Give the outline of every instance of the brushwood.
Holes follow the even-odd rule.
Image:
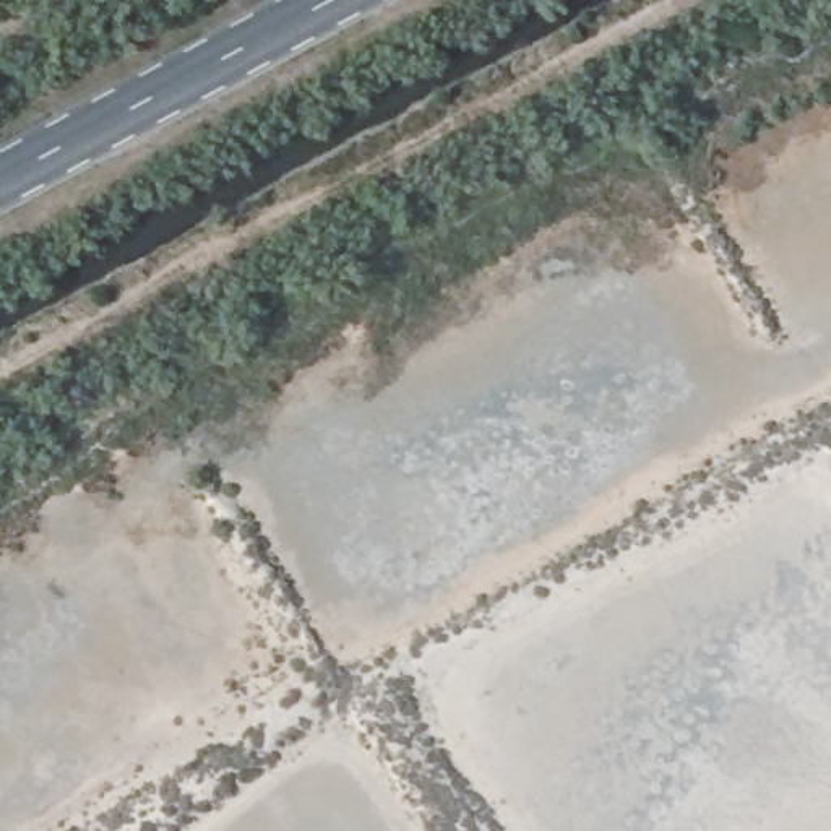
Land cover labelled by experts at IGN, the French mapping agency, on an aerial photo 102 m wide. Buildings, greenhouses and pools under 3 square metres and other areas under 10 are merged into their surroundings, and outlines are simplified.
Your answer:
[[[383,734],[390,743],[412,747],[419,734],[428,727],[422,708],[416,714],[403,714],[399,698],[390,695],[380,704],[364,708],[377,714],[373,724],[367,724],[367,730]]]
[[[428,130],[435,120],[448,114],[451,104],[500,91],[513,81],[506,55],[458,81],[448,81],[445,88],[428,91],[403,114],[377,127],[357,130],[334,149],[318,153],[308,162],[289,169],[286,175],[247,195],[234,208],[214,208],[192,234],[208,237],[224,234],[227,227],[240,227],[256,211],[292,195],[302,195],[321,185],[328,175],[338,175],[377,156],[380,149],[393,149],[406,136]]]
[[[32,97],[52,88],[78,91],[78,81],[94,71],[94,65],[117,62],[127,49],[153,52],[159,49],[159,36],[166,29],[195,26],[214,10],[227,6],[227,0],[0,0],[0,127],[19,117]]]
[[[292,607],[289,636],[308,636],[312,652],[321,662],[315,669],[295,659],[292,669],[305,682],[318,685],[315,708],[321,714],[328,714],[328,704],[341,704],[341,711],[347,711],[354,682],[351,669],[331,656],[292,575],[273,555],[256,513],[240,510],[237,516],[243,519],[243,542],[250,558],[269,571],[273,581],[279,581],[282,604]]]
[[[172,776],[166,776],[162,782],[146,782],[127,792],[110,812],[101,815],[101,821],[110,828],[127,825],[133,805],[146,802],[149,795],[162,795],[162,812],[172,815],[172,821],[149,821],[140,831],[185,831],[192,821],[198,821],[208,812],[217,812],[230,795],[237,795],[243,782],[253,782],[266,769],[273,769],[282,760],[286,747],[308,737],[312,724],[299,717],[295,727],[276,737],[269,753],[263,753],[263,727],[247,727],[237,743],[208,743],[195,753],[195,760],[175,766]],[[205,773],[211,773],[217,786],[208,799],[195,802],[182,792],[182,782]]]
[[[727,458],[704,458],[698,471],[688,471],[665,484],[665,490],[656,500],[636,500],[633,513],[623,516],[617,526],[588,536],[584,542],[571,545],[568,552],[542,565],[545,578],[552,581],[565,581],[568,568],[597,571],[630,545],[649,545],[652,536],[672,539],[672,529],[682,529],[685,519],[698,519],[698,513],[704,513],[708,506],[714,513],[730,513],[737,500],[747,493],[747,487],[753,480],[763,480],[769,467],[792,464],[802,458],[802,451],[812,448],[831,448],[831,396],[815,409],[795,412],[795,419],[805,425],[802,438],[779,441],[766,454],[756,454],[753,438],[730,441]]]
[[[510,594],[519,594],[519,581],[506,581],[487,594],[477,594],[474,604],[451,614],[445,623],[419,630],[409,643],[409,652],[422,656],[428,643],[445,643],[448,636],[458,636],[464,630],[493,630],[490,607],[506,601]]]
[[[130,175],[110,182],[97,201],[68,208],[29,234],[0,237],[0,308],[10,312],[23,295],[36,299],[55,273],[75,266],[81,253],[91,253],[97,247],[101,237],[117,237],[123,227],[136,221],[140,211],[166,208],[169,201],[185,201],[192,198],[192,192],[208,188],[214,179],[230,179],[237,169],[250,169],[250,156],[289,143],[299,133],[308,140],[328,136],[338,107],[367,107],[370,94],[383,91],[383,84],[390,81],[409,84],[412,78],[441,75],[445,62],[435,55],[435,45],[484,52],[490,32],[506,36],[516,16],[532,10],[545,19],[545,36],[558,52],[565,52],[575,42],[591,39],[604,23],[626,19],[656,0],[445,0],[425,13],[412,13],[390,23],[383,32],[357,42],[354,49],[341,49],[334,62],[328,62],[315,75],[299,78],[286,91],[266,91],[250,104],[230,107],[221,120],[198,123],[182,143],[153,153]]]
[[[428,805],[425,831],[506,831],[493,815],[490,802],[454,766],[441,740],[428,737],[422,750],[432,769],[422,776],[419,763],[412,760],[399,773],[409,786],[422,792],[422,805]]]
[[[708,192],[727,182],[727,159],[740,146],[756,143],[760,130],[773,130],[795,114],[831,104],[831,0],[701,0],[698,6],[675,13],[665,26],[639,29],[620,45],[604,49],[601,55],[588,58],[578,71],[549,78],[539,91],[519,97],[513,107],[490,110],[445,133],[432,149],[409,156],[399,172],[364,175],[351,195],[331,195],[321,205],[299,211],[282,227],[260,234],[247,247],[237,247],[224,260],[208,263],[198,273],[185,273],[182,279],[162,286],[156,295],[120,315],[117,325],[104,331],[88,331],[81,341],[42,357],[29,370],[16,370],[0,383],[0,555],[23,552],[26,536],[39,532],[45,500],[68,493],[71,487],[104,493],[107,500],[123,500],[114,474],[117,448],[123,448],[130,458],[156,454],[156,441],[162,438],[175,445],[188,438],[201,422],[234,419],[240,399],[253,396],[276,403],[299,370],[325,360],[331,351],[341,351],[347,325],[367,331],[373,354],[393,354],[393,338],[406,328],[406,315],[435,318],[435,305],[445,286],[458,286],[477,269],[493,266],[500,256],[510,256],[519,243],[536,237],[536,230],[568,214],[584,211],[607,221],[639,214],[643,221],[656,221],[659,227],[678,227],[711,224],[711,234],[730,256],[730,273],[743,282],[769,334],[779,331],[782,325],[769,295],[756,282],[753,266],[743,260],[740,243],[730,237],[724,214],[717,211],[717,201]]]

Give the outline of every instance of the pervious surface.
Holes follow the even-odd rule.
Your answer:
[[[568,552],[571,545],[584,542],[588,536],[617,526],[623,516],[633,513],[636,500],[656,500],[665,490],[665,484],[688,471],[698,471],[704,458],[727,458],[730,441],[753,438],[756,454],[766,454],[779,441],[802,438],[805,425],[795,419],[795,412],[815,409],[831,396],[831,104],[795,114],[773,130],[760,130],[756,143],[740,146],[727,159],[727,182],[708,192],[717,201],[717,211],[724,214],[730,237],[740,243],[743,260],[753,266],[756,282],[769,295],[782,325],[779,331],[769,334],[743,282],[730,273],[730,256],[711,234],[711,224],[678,227],[678,240],[672,250],[675,263],[662,273],[643,266],[639,273],[607,269],[594,279],[552,279],[552,273],[568,269],[571,260],[545,263],[542,282],[536,282],[532,289],[500,295],[480,305],[480,315],[474,321],[445,328],[435,341],[422,344],[403,364],[403,373],[377,399],[364,399],[373,354],[367,331],[347,325],[341,351],[331,351],[325,360],[299,370],[276,403],[279,409],[273,412],[266,438],[256,448],[234,451],[221,467],[221,480],[240,484],[237,497],[217,497],[208,487],[198,487],[192,474],[182,467],[182,454],[175,448],[156,454],[130,458],[123,448],[117,448],[114,474],[123,500],[107,500],[104,493],[71,487],[68,493],[45,500],[39,532],[26,536],[23,552],[0,555],[0,831],[140,831],[149,821],[172,821],[172,815],[162,812],[162,795],[149,795],[146,802],[133,805],[127,825],[110,828],[101,821],[101,815],[110,812],[127,792],[146,782],[162,782],[166,776],[172,776],[175,766],[195,760],[195,753],[208,743],[237,743],[247,727],[263,727],[263,753],[269,753],[276,737],[295,727],[299,717],[312,724],[308,737],[286,747],[282,760],[273,769],[266,769],[253,782],[243,782],[237,795],[230,795],[217,812],[208,812],[198,821],[192,821],[185,831],[425,831],[428,805],[422,805],[422,792],[409,786],[399,773],[412,760],[419,763],[422,776],[432,769],[422,750],[428,737],[441,740],[454,766],[490,802],[493,815],[506,831],[831,831],[831,448],[812,448],[802,451],[802,458],[792,464],[769,467],[763,480],[753,480],[747,487],[747,493],[737,500],[730,513],[714,513],[708,506],[704,513],[698,513],[698,519],[685,519],[682,529],[672,529],[672,539],[652,536],[649,545],[630,545],[597,571],[568,568],[565,581],[552,581],[545,578],[542,565]],[[256,513],[273,555],[292,575],[331,656],[351,669],[354,682],[347,711],[341,711],[341,704],[328,704],[328,714],[321,714],[315,708],[318,685],[305,682],[292,669],[295,659],[315,669],[321,662],[312,652],[308,636],[289,636],[292,607],[282,604],[279,581],[273,581],[269,571],[250,558],[243,542],[243,519],[237,516],[240,510]],[[506,601],[490,607],[493,630],[464,630],[458,636],[448,636],[445,643],[428,643],[422,656],[409,652],[409,643],[419,630],[445,623],[451,614],[474,604],[477,594],[487,594],[506,581],[519,581],[519,594],[510,594]],[[399,698],[403,714],[416,714],[422,708],[428,727],[419,734],[412,747],[390,743],[383,734],[367,730],[367,724],[373,724],[377,714],[364,708],[380,704],[390,695]]]
[[[84,286],[91,302],[97,302],[88,315],[75,318],[71,325],[55,325],[39,341],[23,344],[16,351],[3,351],[0,357],[0,383],[16,370],[29,370],[42,357],[81,341],[88,331],[104,331],[117,325],[120,315],[156,295],[162,286],[182,279],[185,273],[198,273],[208,263],[224,260],[237,247],[247,247],[260,234],[282,227],[299,211],[321,205],[331,195],[351,195],[364,175],[399,172],[409,156],[432,149],[445,133],[490,110],[513,107],[519,97],[539,91],[549,78],[578,71],[588,58],[601,55],[604,49],[620,45],[639,29],[665,26],[675,13],[698,6],[701,0],[656,0],[626,19],[604,23],[591,39],[575,42],[565,52],[558,52],[545,36],[506,55],[513,81],[500,91],[451,104],[448,114],[435,120],[428,130],[406,136],[393,149],[380,149],[377,156],[338,175],[328,175],[321,185],[302,195],[292,195],[256,211],[240,227],[227,227],[224,234],[208,237],[192,234],[156,250],[156,269],[146,279],[127,286],[123,292],[117,286],[101,286],[97,279]]]
[[[195,802],[208,799],[217,786],[211,773],[205,773],[182,782],[182,792]]]

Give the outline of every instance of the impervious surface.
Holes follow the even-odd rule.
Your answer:
[[[253,65],[286,55],[295,42],[308,36],[328,32],[331,26],[338,26],[338,19],[373,10],[380,0],[256,0],[250,3],[253,16],[247,23],[211,32],[198,49],[166,58],[149,75],[120,81],[110,97],[81,104],[62,123],[39,127],[26,133],[13,149],[0,153],[0,208],[13,205],[32,185],[62,179],[68,166],[81,159],[104,156],[117,140],[153,130],[159,117],[195,107],[201,94],[240,81]]]

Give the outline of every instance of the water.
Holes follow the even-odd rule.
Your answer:
[[[367,107],[338,107],[328,136],[308,140],[299,133],[289,143],[250,156],[250,169],[237,169],[230,179],[214,179],[208,188],[192,192],[192,198],[185,201],[169,201],[166,208],[140,211],[136,221],[123,227],[117,237],[101,237],[97,247],[91,253],[81,253],[75,266],[55,273],[36,299],[23,295],[10,312],[0,308],[0,331],[13,331],[36,312],[55,308],[75,289],[84,286],[97,279],[107,269],[133,263],[156,250],[192,234],[214,208],[234,208],[247,195],[286,175],[289,169],[308,162],[318,153],[334,149],[357,130],[377,127],[403,114],[428,91],[445,88],[448,81],[458,81],[506,55],[545,36],[545,19],[532,10],[516,16],[506,36],[490,32],[484,52],[435,45],[435,55],[445,62],[441,75],[412,78],[409,84],[390,81],[383,84],[383,91],[370,94]]]

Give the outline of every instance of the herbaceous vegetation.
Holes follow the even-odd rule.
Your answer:
[[[425,13],[445,0],[380,0],[373,10],[338,19],[338,26],[331,26],[328,32],[308,36],[295,42],[286,55],[253,65],[240,81],[201,94],[195,107],[159,117],[153,130],[117,140],[104,156],[81,159],[68,166],[62,179],[32,185],[13,205],[0,208],[0,237],[29,234],[68,208],[97,201],[110,182],[130,175],[153,153],[182,143],[198,123],[221,120],[230,107],[250,104],[266,91],[286,91],[299,78],[315,75],[328,62],[334,62],[341,49],[354,49],[357,42],[383,32],[390,23],[412,13]]]
[[[133,263],[107,269],[97,279],[101,286],[117,286],[123,292],[127,286],[146,279],[156,269],[156,250]]]
[[[3,351],[16,351],[23,344],[39,341],[55,325],[71,325],[75,318],[88,315],[97,302],[91,302],[84,286],[75,289],[55,308],[36,312],[13,331],[0,331],[0,357]]]
[[[201,422],[188,438],[175,445],[162,438],[156,441],[156,454],[175,448],[182,454],[182,467],[192,474],[198,487],[208,487],[217,497],[237,497],[240,484],[221,480],[221,467],[234,451],[256,448],[266,438],[273,412],[279,409],[276,403],[253,396],[240,399],[234,419]]]
[[[403,364],[422,344],[435,341],[445,328],[474,321],[480,315],[480,305],[500,295],[532,289],[536,282],[542,282],[545,263],[571,260],[568,269],[552,273],[552,279],[594,279],[607,269],[639,273],[643,266],[662,273],[675,263],[672,250],[678,240],[678,227],[659,227],[656,221],[643,221],[639,214],[607,221],[584,211],[568,214],[536,230],[536,237],[519,243],[510,256],[500,256],[493,266],[477,269],[458,286],[445,286],[435,305],[435,318],[406,315],[406,328],[393,338],[393,354],[373,354],[364,399],[377,399],[403,373]]]
[[[250,3],[256,0],[227,0],[227,6],[214,10],[195,26],[166,29],[159,36],[159,49],[153,52],[127,49],[117,62],[94,65],[94,71],[78,81],[78,91],[52,88],[32,97],[19,117],[0,127],[0,153],[13,149],[26,133],[39,127],[62,123],[81,104],[110,97],[120,81],[149,75],[166,58],[198,49],[211,32],[247,23],[253,16]]]

